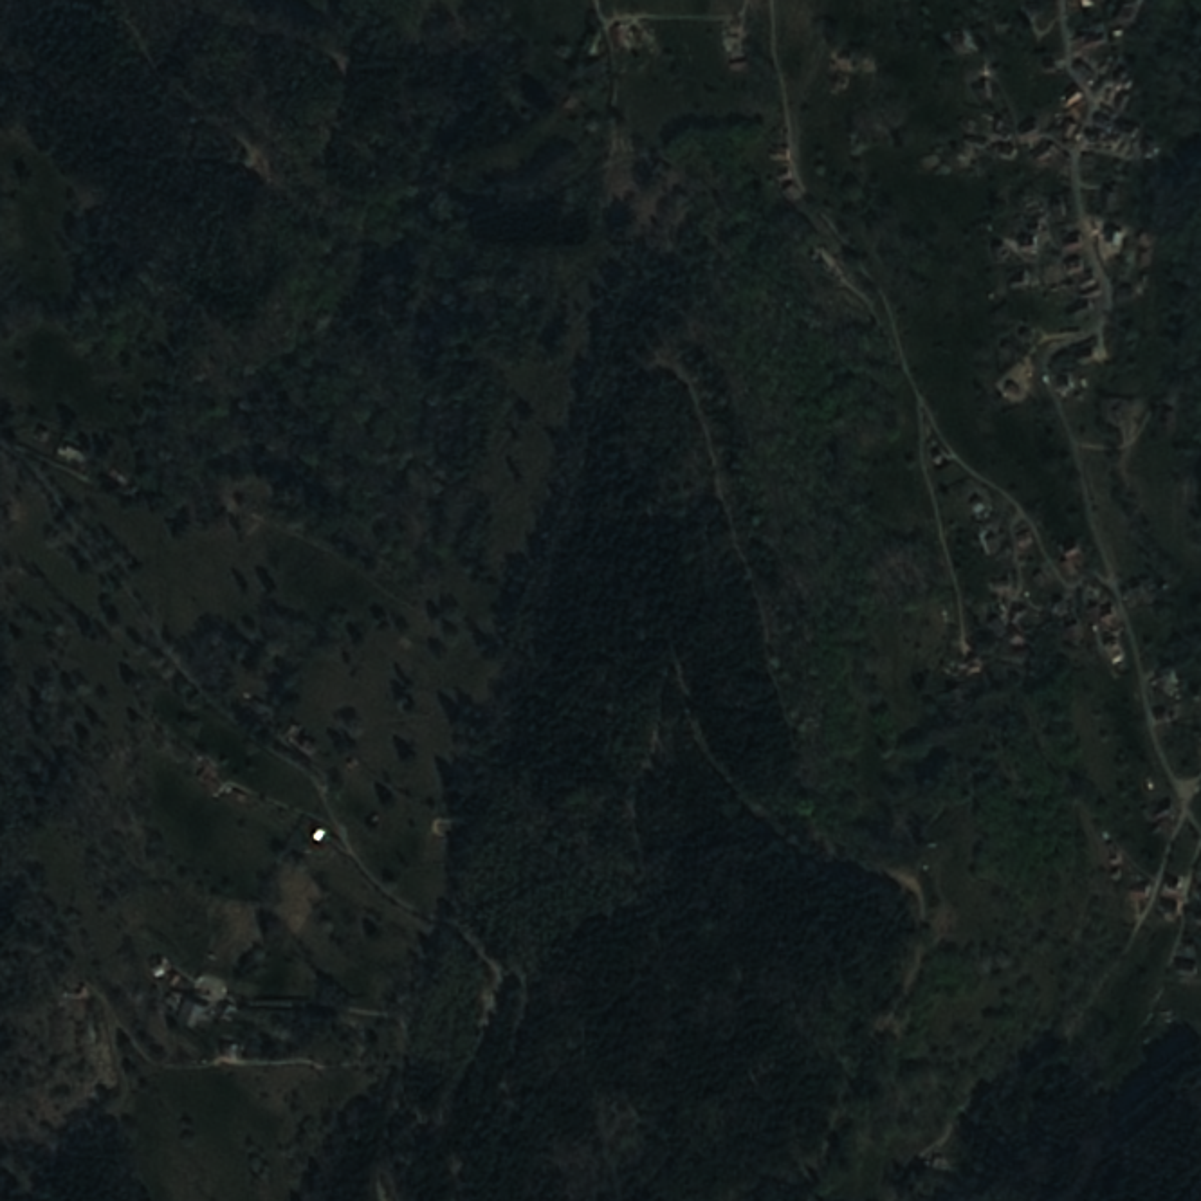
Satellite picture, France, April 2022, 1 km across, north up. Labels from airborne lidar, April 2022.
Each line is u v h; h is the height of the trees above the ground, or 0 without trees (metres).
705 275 17
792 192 0
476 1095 17
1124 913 7
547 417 0
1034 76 0
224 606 0
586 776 11
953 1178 14
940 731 18
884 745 16
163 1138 0
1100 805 19
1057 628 6
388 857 0
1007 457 0
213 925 0
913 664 0
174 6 25
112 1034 0
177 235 21
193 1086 0
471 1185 22
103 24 36
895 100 14
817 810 21
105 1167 18
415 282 22
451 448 20
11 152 0
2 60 21
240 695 0
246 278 22
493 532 10
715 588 19
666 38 0
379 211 23
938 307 0
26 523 0
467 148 32
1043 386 0
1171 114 11
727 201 16
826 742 16
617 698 15
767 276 23
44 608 0
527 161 0
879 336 17
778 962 22
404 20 13
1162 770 0
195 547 0
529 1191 27
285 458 9
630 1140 19
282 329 30
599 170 6
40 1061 8
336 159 22
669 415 12
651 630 14
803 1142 20
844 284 0
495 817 18
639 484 21
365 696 0
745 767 22
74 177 19
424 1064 23
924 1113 26
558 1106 26
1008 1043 11
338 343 26
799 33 0
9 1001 8
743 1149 24
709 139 14
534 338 16
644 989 22
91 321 12
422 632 0
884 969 20
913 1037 16
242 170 19
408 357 24
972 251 8
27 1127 10
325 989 14
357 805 0
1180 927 0
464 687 0
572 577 20
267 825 0
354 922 17
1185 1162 25
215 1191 0
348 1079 0
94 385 0
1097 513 6
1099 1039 24
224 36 25
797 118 0
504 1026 19
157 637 13
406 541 22
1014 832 17
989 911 0
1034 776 14
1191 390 14
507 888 19
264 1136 0
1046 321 0
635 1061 25
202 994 0
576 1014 17
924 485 0
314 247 14
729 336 24
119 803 7
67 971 13
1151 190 10
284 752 10
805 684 14
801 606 16
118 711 0
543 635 16
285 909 0
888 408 24
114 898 16
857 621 22
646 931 21
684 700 15
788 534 18
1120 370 10
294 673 22
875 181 7
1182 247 23
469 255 12
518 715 16
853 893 23
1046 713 20
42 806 12
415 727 0
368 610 0
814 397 17
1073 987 14
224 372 26
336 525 19
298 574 0
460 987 18
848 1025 23
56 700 14
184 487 21
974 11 7
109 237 22
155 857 12
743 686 18
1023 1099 27
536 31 0
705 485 20
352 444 26
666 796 24
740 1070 30
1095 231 0
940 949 12
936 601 10
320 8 0
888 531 11
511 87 27
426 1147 28
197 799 0
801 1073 30
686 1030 22
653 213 0
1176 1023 0
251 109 25
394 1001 13
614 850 24
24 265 0
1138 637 0
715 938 25
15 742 19
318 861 0
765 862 28
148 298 20
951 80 9
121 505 8
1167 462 0
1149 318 0
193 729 9
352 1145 26
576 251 10
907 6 8
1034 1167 33
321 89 22
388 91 22
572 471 19
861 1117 16
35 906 17
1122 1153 30
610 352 20
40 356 0
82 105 24
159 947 0
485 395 16
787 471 18
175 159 25
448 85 37
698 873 22
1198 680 8
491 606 0
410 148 28
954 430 0
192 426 18
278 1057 13
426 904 0
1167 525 0
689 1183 19
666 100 0
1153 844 0
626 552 23
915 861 18
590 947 19
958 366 0
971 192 0
